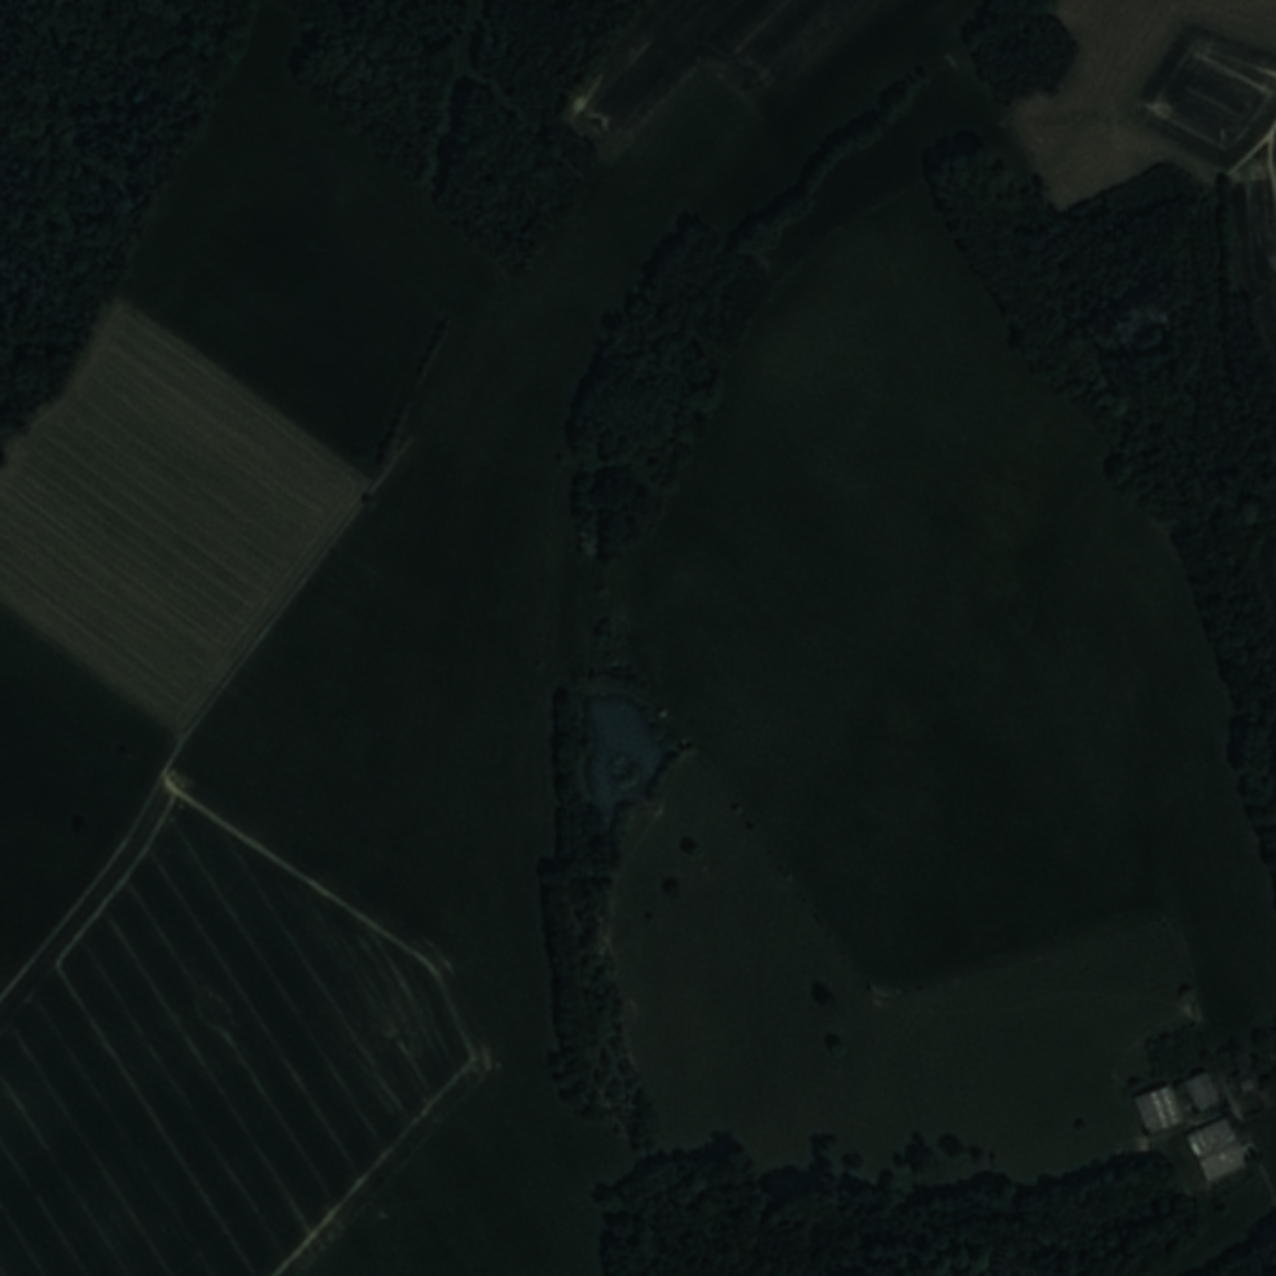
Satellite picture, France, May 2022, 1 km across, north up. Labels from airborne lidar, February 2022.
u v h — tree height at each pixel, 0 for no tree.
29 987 0
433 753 0
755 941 0
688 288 21
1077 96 0
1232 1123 11
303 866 0
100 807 0
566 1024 21
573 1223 0
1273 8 0
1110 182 0
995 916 0
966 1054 0
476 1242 0
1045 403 0
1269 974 0
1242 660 20
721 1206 15
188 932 0
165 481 0
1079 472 0
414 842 0
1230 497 17
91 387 0
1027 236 24
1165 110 0
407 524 0
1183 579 0
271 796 0
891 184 0
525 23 16
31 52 8
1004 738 0
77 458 0
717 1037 0
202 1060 0
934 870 0
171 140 22
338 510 0
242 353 0
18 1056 0
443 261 0
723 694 0
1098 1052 0
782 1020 0
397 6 13
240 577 0
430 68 22
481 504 0
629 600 0
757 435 0
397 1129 0
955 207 24
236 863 0
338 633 0
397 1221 0
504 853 0
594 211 0
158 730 0
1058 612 0
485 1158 0
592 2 16
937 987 0
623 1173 0
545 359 0
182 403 0
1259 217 0
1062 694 0
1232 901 0
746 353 0
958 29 0
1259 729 23
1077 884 0
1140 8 0
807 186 13
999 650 0
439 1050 0
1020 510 0
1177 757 0
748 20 0
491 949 0
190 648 0
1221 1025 0
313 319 0
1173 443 19
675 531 0
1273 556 0
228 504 0
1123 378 15
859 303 0
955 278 0
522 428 0
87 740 0
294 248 0
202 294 0
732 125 0
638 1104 12
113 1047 0
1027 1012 0
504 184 8
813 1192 32
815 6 0
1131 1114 0
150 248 0
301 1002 0
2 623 0
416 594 0
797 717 0
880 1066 0
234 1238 0
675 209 0
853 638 0
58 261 14
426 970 0
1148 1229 28
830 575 0
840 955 0
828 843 0
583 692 0
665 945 0
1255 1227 0
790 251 0
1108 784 0
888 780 0
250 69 0
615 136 0
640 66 0
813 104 0
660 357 21
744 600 0
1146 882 0
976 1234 31
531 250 16
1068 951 0
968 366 0
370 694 0
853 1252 17
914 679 0
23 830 0
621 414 21
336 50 25
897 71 0
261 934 0
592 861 20
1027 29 23
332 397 0
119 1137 0
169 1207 0
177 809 0
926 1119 0
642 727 0
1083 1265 19
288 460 0
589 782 0
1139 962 0
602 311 0
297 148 0
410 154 16
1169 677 0
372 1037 0
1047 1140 0
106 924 0
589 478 12
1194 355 12
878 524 0
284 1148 0
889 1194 17
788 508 0
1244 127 0
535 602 0
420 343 0
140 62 19
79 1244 0
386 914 0
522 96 14
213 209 0
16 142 29
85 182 24
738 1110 0
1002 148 0
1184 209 16
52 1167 0
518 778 0
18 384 16
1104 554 0
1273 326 0
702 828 0
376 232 0
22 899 0
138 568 0
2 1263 0
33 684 0
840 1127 0
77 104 12
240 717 0
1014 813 0
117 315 0
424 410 0
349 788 0
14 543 0
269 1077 0
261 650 0
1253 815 15
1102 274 10
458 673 0
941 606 0
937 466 0
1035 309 24
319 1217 0
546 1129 0
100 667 0
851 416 0
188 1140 0
